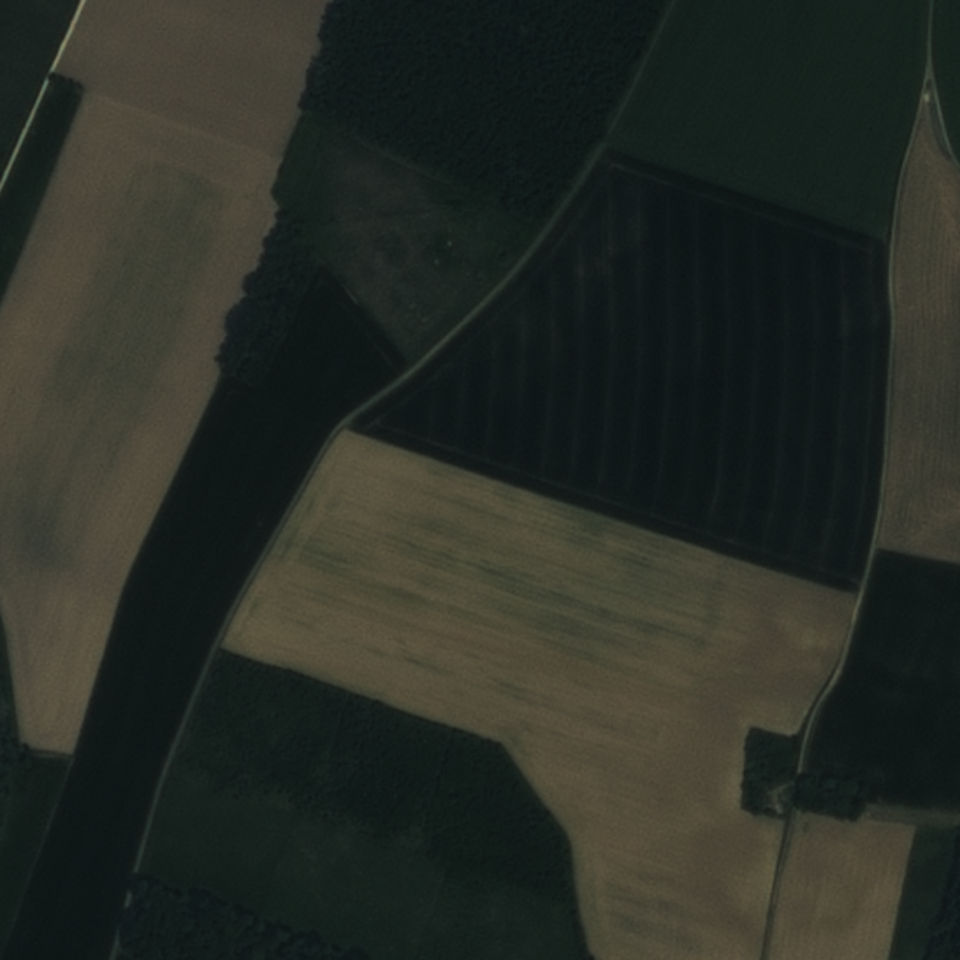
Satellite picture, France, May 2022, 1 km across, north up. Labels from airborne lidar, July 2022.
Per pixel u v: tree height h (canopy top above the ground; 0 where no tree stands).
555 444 0
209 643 0
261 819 0
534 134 19
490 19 18
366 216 0
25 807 0
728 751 0
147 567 0
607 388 0
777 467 0
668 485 0
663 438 0
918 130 0
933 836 0
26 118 0
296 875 0
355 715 7
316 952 23
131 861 0
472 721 0
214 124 0
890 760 0
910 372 0
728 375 0
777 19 0
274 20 0
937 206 0
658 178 0
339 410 0
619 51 19
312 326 0
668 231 0
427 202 0
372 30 20
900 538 0
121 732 0
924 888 0
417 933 0
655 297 0
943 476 0
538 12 17
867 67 0
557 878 8
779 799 0
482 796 8
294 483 0
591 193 0
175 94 0
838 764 0
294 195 0
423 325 0
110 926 0
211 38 0
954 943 24
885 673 0
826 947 0
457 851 7
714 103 0
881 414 0
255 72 0
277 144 0
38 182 0
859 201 0
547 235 0
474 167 21
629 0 19
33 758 21
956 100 0
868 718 0
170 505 0
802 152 0
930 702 0
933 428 0
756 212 0
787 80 0
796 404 0
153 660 0
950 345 0
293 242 18
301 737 6
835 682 0
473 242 0
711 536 0
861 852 0
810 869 0
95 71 0
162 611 0
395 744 8
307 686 6
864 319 0
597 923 0
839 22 0
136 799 0
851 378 0
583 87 20
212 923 29
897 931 0
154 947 21
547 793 0
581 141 19
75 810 0
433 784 7
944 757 0
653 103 0
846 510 0
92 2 0
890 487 0
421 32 20
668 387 0
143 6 0
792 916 0
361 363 0
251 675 8
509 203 15
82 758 0
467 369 0
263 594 0
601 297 0
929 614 0
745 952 0
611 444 0
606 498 0
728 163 0
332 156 0
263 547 0
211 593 0
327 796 6
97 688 0
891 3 0
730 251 0
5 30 0
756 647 0
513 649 0
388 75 21
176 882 0
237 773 6
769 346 0
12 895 0
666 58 0
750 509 0
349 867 0
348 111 21
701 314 0
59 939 0
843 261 0
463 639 0
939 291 0
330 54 13
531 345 0
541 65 21
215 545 0
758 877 0
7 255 0
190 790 0
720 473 0
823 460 0
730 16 0
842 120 0
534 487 0
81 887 0
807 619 0
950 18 0
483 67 20
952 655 0
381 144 18
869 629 0
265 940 26
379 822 7
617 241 0
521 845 9
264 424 0
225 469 0
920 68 0
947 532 0
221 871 0
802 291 0
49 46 0
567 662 0
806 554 0
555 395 0
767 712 0
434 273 0
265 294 13
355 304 0
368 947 0
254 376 24
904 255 0
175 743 0
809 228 0
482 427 0
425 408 0
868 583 0
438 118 21
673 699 0
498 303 0
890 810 0
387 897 0
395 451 0
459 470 0
